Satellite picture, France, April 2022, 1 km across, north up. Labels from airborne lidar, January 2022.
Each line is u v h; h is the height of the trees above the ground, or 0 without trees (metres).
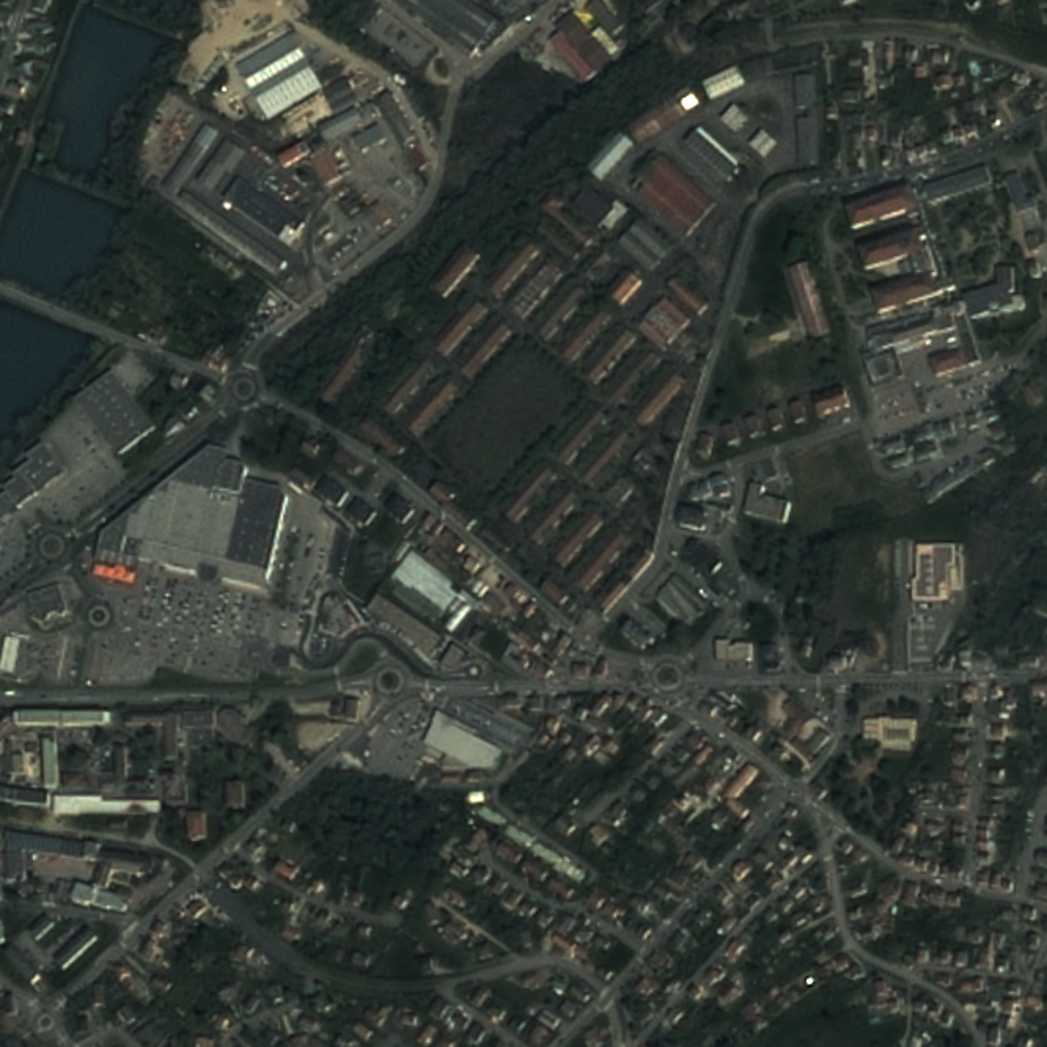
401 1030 0
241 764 18
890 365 0
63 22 0
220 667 0
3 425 0
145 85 11
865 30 0
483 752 0
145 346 0
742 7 0
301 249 0
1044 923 7
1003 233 9
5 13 0
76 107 0
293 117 0
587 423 0
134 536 0
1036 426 0
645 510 17
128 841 0
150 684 0
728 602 0
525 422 0
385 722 0
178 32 15
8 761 0
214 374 0
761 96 0
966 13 0
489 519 6
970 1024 0
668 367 9
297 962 0
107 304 8
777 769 0
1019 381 12
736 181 13
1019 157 0
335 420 28
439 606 0
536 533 0
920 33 0
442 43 0
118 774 0
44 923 0
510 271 0
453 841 0
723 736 0
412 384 0
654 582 0
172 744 0
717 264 0
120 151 12
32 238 0
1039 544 14
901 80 14
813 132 0
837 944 0
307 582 0
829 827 0
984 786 0
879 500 0
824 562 23
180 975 0
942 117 9
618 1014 0
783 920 0
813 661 0
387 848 21
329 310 9
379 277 9
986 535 0
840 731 0
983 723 0
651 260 0
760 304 0
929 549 0
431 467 11
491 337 0
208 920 0
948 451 0
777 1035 0
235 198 0
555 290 0
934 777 15
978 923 0
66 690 0
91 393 0
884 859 0
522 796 7
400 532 0
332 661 0
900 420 0
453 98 0
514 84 0
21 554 0
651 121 0
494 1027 0
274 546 0
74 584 0
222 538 0
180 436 0
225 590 0
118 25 0
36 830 0
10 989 0
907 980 0
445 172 0
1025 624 17
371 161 0
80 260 0
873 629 0
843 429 0
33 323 0
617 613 0
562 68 0
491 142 0
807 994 0
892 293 0
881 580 0
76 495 0
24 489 0
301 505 0
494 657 0
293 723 0
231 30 0
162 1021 6
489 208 13
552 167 18
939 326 0
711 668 0
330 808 12
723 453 0
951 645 9
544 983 0
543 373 0
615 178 0
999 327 9
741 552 0
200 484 0
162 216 9
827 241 0
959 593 0
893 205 0
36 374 0
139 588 0
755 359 0
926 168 0
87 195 0
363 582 0
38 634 0
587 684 0
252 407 0
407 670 0
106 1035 0
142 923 0
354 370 0
